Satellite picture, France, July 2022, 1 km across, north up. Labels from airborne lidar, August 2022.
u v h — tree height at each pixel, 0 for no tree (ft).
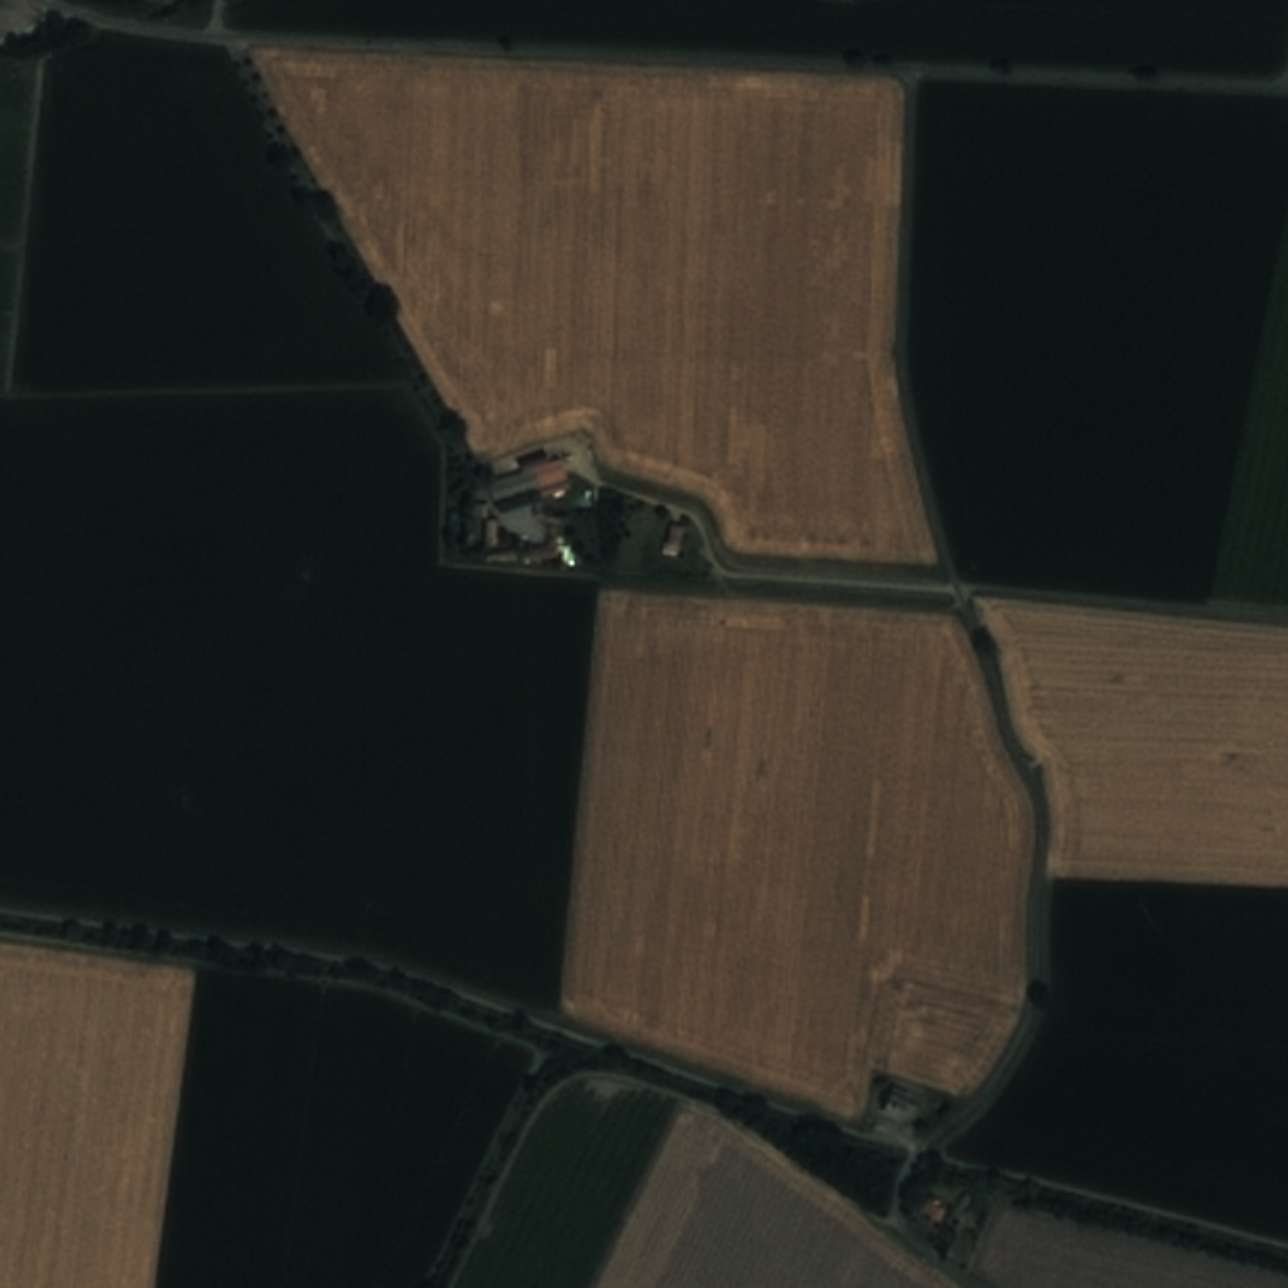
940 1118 22
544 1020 0
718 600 0
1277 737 0
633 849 0
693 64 0
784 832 0
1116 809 0
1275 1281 0
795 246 0
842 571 0
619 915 0
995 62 30
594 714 0
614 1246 0
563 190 0
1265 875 0
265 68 0
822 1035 0
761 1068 0
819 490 0
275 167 52
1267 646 0
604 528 23
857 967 0
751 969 0
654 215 0
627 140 0
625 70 0
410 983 45
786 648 0
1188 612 0
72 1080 0
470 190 0
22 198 0
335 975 35
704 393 0
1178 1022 22
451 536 29
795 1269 0
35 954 0
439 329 0
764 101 0
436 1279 25
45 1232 0
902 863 0
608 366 0
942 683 0
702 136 0
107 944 22
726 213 0
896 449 0
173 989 0
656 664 0
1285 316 0
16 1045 0
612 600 0
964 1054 0
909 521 0
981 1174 33
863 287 0
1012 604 0
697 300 0
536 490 29
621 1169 0
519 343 0
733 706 0
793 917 0
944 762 0
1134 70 27
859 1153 21
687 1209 0
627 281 0
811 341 0
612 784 0
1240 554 0
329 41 0
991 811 0
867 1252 0
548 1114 0
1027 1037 0
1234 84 0
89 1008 0
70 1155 0
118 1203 0
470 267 0
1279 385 0
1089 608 0
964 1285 0
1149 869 0
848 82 0
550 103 0
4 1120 0
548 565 17
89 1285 0
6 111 0
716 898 0
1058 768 0
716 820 0
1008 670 0
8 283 0
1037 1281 0
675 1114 0
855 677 0
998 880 0
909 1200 48
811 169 0
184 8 20
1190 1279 0
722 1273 0
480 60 0
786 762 0
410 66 0
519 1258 0
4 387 0
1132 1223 37
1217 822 0
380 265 0
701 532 0
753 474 0
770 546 0
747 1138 0
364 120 0
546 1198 0
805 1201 0
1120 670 0
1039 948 0
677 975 0
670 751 0
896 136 0
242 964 37
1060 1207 38
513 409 0
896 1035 0
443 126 0
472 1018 25
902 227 0
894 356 0
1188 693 0
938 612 0
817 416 0
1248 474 0
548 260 0
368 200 0
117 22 0
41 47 49
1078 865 0
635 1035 0
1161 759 0
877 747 0
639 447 0
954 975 0
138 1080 0
